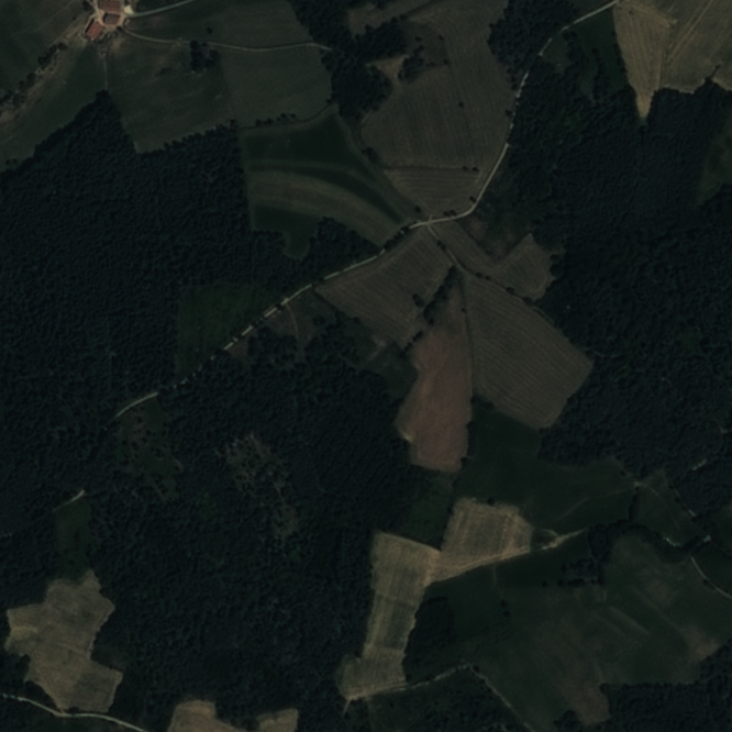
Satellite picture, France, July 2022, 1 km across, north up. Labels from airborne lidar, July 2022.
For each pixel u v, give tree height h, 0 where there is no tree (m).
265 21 0
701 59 0
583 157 18
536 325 0
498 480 0
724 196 19
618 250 23
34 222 18
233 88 0
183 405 16
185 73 0
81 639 0
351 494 14
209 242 21
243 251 20
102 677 0
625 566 0
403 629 0
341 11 10
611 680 0
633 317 16
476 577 0
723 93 13
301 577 17
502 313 0
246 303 0
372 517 16
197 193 15
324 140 0
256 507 6
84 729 0
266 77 0
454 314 0
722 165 0
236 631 14
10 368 14
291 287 12
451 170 0
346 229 15
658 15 0
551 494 0
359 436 15
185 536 15
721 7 0
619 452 14
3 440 19
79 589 0
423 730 0
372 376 16
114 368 15
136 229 20
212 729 0
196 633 7
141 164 14
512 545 0
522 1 7
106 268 22
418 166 0
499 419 0
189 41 0
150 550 9
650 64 0
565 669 0
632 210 22
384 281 0
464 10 0
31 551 22
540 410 0
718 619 0
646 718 12
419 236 0
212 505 14
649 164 21
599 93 16
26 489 21
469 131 0
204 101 0
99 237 21
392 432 10
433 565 0
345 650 18
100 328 28
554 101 8
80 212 23
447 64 8
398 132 0
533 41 9
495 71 0
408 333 0
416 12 0
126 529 17
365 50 11
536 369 0
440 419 0
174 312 19
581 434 9
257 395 17
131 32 0
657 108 23
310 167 0
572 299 11
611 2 0
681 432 22
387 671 0
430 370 0
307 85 0
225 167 8
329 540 9
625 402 13
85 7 14
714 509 10
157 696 10
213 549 12
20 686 10
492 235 0
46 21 0
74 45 0
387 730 0
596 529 8
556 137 10
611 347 10
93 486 19
